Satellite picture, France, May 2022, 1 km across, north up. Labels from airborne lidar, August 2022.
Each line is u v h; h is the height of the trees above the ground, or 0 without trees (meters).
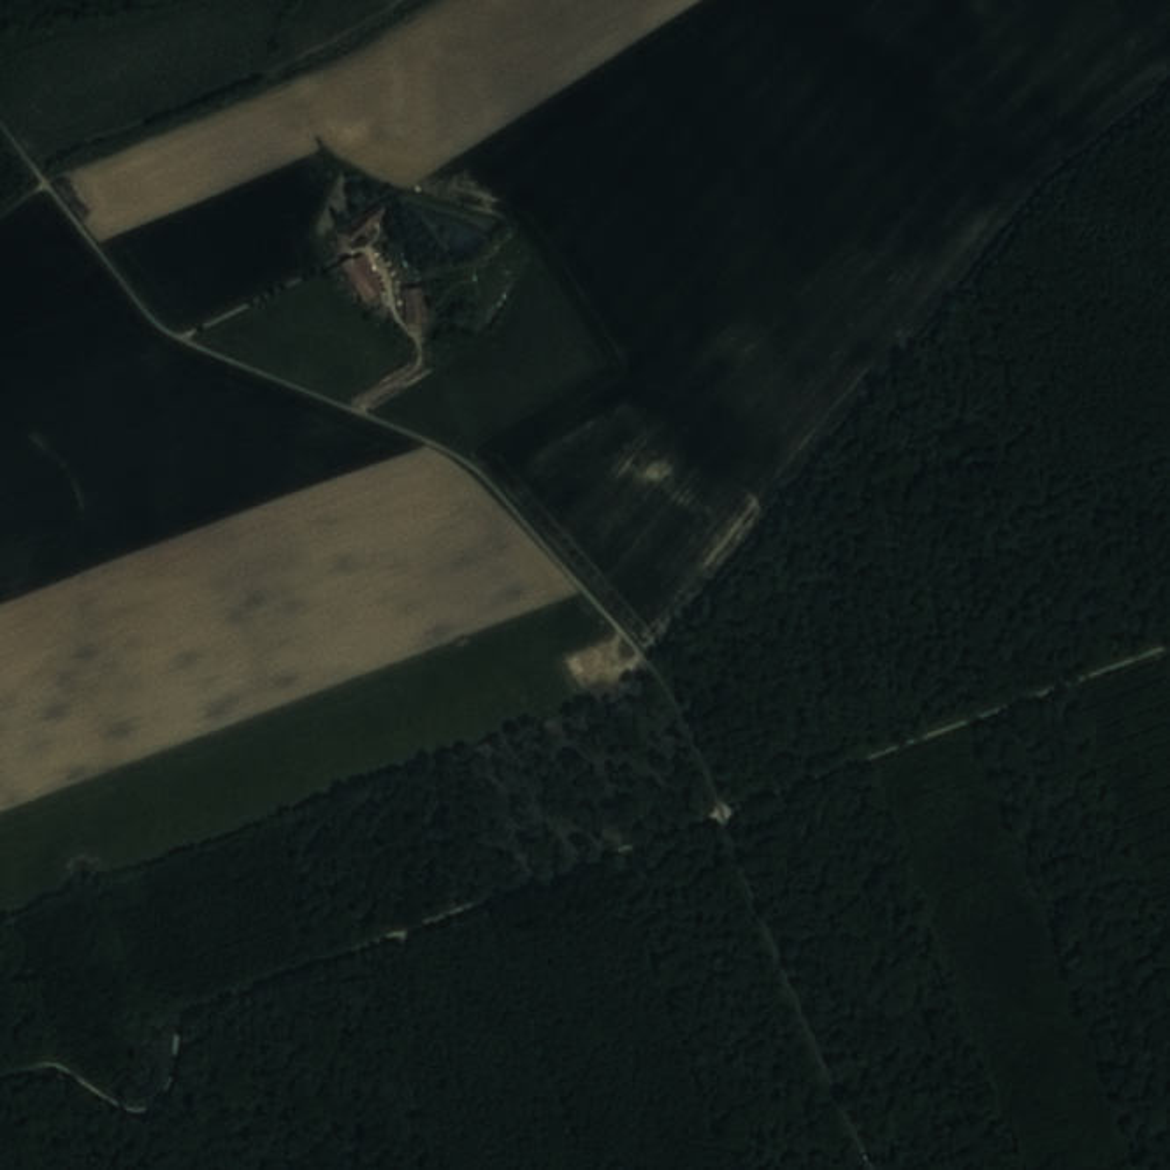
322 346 0
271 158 0
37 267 0
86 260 0
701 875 25
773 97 0
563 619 0
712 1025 23
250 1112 20
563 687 0
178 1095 10
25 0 13
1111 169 18
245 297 0
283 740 0
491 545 0
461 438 0
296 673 0
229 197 0
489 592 0
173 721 0
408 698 0
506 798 23
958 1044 21
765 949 12
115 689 0
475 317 16
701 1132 16
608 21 0
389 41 0
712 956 19
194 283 0
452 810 24
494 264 0
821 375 0
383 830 26
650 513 0
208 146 0
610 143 0
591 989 18
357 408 0
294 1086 26
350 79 0
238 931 10
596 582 0
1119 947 23
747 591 21
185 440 0
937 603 20
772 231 0
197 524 0
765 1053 22
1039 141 0
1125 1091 25
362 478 0
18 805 0
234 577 0
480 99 0
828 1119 26
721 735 17
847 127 0
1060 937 21
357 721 0
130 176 0
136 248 0
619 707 23
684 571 0
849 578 20
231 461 0
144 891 10
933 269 0
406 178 0
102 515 0
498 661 0
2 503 0
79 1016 10
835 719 18
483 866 26
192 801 0
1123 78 0
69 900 14
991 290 17
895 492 29
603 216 0
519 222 0
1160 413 17
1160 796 5
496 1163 16
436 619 0
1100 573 26
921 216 0
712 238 0
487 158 0
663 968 22
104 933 11
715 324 0
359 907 23
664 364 0
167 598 0
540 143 0
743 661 23
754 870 18
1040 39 0
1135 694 6
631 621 0
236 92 14
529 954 18
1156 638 23
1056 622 23
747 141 0
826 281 0
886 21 0
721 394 0
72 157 12
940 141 0
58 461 0
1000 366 22
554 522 0
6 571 0
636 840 22
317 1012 19
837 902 19
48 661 0
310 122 0
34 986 21
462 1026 17
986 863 6
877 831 19
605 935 18
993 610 23
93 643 0
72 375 0
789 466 0
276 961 11
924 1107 15
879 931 19
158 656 0
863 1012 26
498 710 0
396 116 0
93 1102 14
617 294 0
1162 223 18
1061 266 17
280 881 10
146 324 0
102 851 0
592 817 27
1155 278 17
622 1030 17
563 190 0
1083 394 16
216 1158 28
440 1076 17
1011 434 20
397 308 0
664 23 0
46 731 0
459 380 0
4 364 0
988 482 24
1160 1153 22
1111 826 15
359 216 17
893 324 0
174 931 8
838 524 25
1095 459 17
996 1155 19
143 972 11
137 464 0
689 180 0
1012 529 15
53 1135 14
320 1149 25
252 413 0
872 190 0
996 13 0
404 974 15
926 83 0
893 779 5
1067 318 20
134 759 0
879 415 18
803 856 22
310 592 0
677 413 0
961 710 21
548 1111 16
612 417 0
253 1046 20
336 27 0
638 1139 15
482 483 0
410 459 0
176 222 0
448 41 0
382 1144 22
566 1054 15
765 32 0
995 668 21
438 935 14
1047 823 18
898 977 26
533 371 0
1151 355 16
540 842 24
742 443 0
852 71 0
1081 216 17
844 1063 23
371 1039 22
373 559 0
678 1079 16
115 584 0
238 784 0
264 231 0
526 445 0
